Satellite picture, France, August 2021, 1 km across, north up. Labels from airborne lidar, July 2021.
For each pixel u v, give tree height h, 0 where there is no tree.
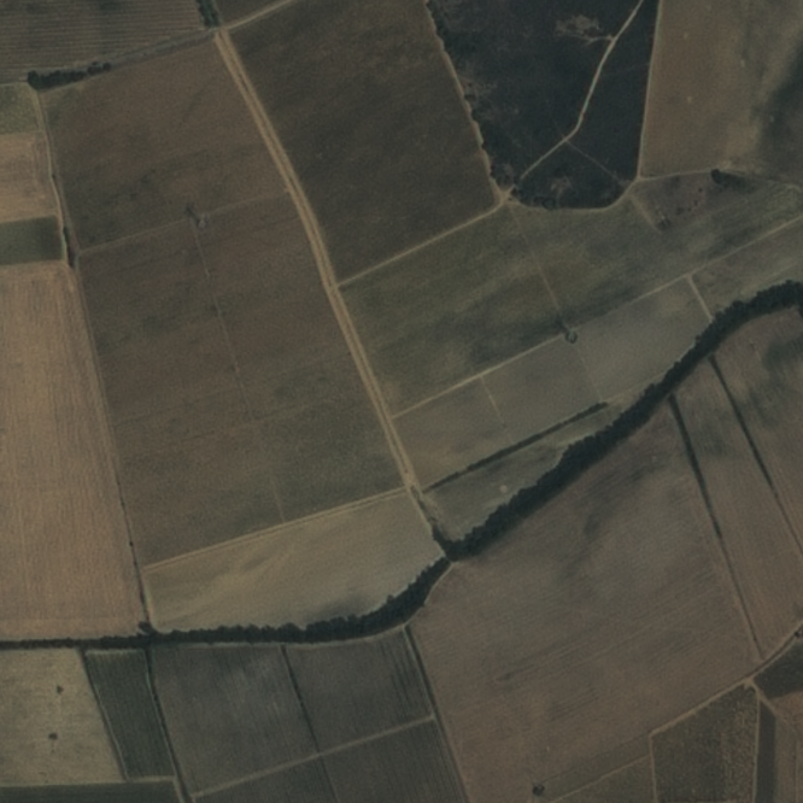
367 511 0
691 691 0
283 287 0
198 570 0
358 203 0
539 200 7
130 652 0
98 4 0
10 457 0
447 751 0
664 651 0
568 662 0
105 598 0
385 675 0
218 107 0
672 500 0
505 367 0
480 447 0
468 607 0
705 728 0
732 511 0
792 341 0
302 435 0
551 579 0
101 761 0
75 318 0
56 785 0
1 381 0
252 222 0
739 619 0
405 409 0
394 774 0
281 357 0
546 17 0
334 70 0
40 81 11
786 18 0
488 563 0
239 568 0
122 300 0
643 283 0
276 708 0
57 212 0
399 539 0
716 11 0
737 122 0
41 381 0
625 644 0
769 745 0
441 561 6
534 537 0
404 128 0
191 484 0
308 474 0
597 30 0
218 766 0
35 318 0
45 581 0
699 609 0
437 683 0
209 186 0
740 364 0
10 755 0
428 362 0
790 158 0
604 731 0
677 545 0
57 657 0
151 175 0
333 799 0
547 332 0
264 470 0
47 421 0
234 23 0
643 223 0
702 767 0
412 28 0
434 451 0
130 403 0
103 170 0
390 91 0
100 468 0
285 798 0
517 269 0
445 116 0
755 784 0
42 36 0
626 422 13
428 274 0
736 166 0
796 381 0
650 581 0
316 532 0
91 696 0
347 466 0
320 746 0
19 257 0
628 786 0
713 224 0
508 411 0
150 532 0
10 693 0
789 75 0
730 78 0
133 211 0
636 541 0
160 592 0
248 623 0
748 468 0
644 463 0
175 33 0
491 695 0
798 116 0
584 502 0
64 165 0
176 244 0
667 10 0
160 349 0
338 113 0
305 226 0
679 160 0
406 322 0
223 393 0
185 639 10
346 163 0
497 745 0
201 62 0
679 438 0
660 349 0
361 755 0
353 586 0
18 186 0
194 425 0
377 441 0
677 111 0
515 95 0
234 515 0
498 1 0
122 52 0
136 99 0
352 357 0
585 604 0
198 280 0
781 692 0
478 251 0
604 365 0
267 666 0
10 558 0
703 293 0
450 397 0
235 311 0
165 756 0
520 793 0
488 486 0
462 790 0
